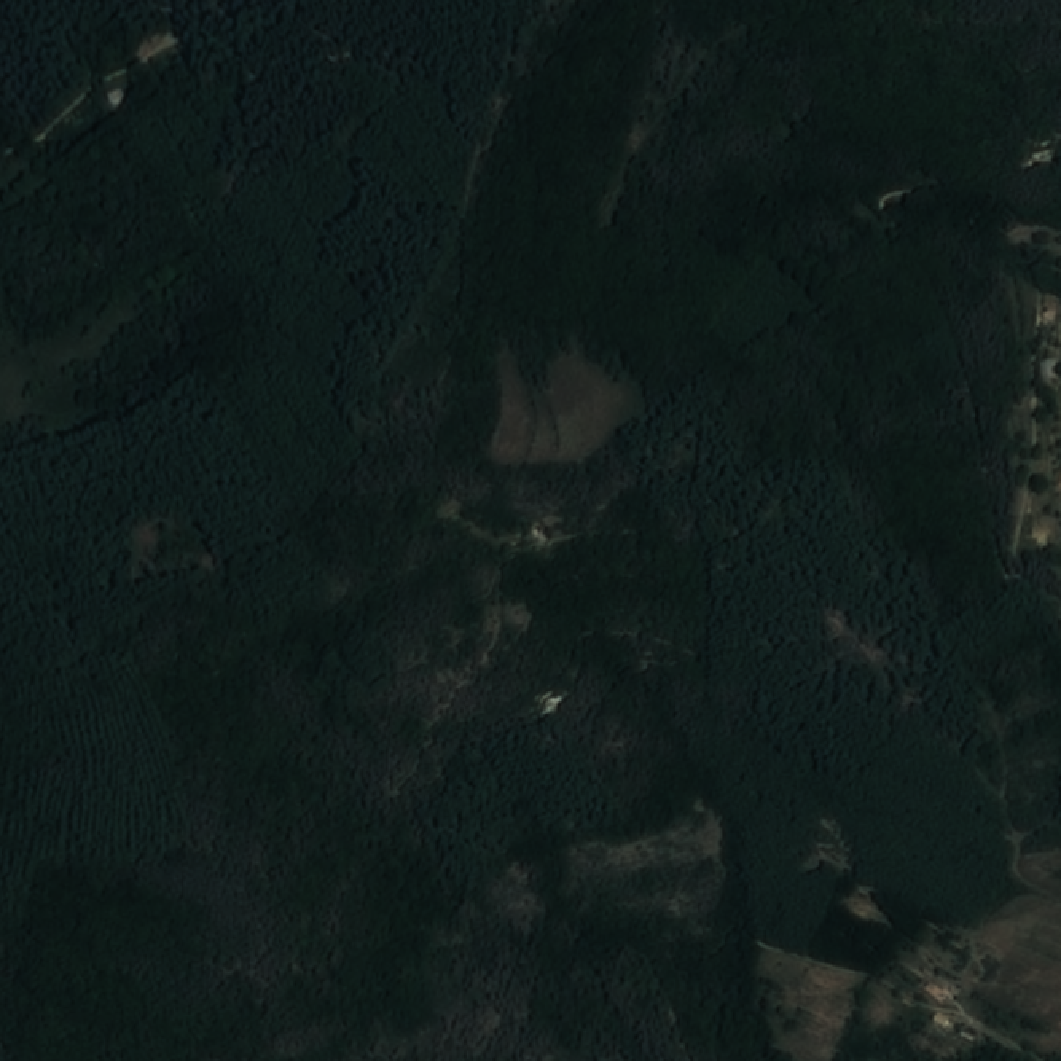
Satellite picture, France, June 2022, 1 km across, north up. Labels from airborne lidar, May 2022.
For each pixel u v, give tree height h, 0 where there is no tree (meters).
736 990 22
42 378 0
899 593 29
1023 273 16
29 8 33
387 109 11
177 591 23
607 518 8
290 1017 18
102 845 22
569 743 26
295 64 24
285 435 9
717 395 22
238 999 10
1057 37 17
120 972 15
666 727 18
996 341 21
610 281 19
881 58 14
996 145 14
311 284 13
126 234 6
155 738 26
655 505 22
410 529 8
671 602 15
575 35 15
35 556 28
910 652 24
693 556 13
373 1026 19
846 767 29
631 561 7
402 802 10
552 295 18
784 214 29
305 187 13
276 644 15
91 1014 19
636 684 25
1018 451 11
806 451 13
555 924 14
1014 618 31
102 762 21
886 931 17
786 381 12
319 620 14
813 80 21
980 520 25
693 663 9
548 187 22
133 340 11
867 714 28
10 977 19
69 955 21
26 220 11
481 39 26
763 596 24
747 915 18
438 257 27
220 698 11
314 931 9
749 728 28
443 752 14
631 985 18
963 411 18
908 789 19
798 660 29
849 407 18
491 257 8
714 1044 16
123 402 7
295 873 13
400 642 18
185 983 14
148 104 13
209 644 8
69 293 8
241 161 26
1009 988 0
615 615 16
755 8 13
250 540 22
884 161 19
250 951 18
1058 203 14
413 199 11
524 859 16
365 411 25
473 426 11
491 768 20
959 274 18
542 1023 10
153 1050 15
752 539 24
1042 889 0
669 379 16
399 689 12
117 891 11
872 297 16
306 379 10
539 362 11
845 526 25
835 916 14
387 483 13
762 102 17
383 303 19
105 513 26
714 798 18
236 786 9
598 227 21
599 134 16
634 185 10
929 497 20
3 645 20
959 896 19
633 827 11
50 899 14
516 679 9
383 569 9
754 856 20
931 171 16
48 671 16
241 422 10
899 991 9
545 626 8
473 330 9
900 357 25
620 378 9
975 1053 6
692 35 10
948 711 20
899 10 10
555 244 20
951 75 13
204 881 16
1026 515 0
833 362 18
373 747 11
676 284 24
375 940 22
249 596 20
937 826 18
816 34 16
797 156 24
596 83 18
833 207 22
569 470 7
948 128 11
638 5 19
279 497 21
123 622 22
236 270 11
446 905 11
